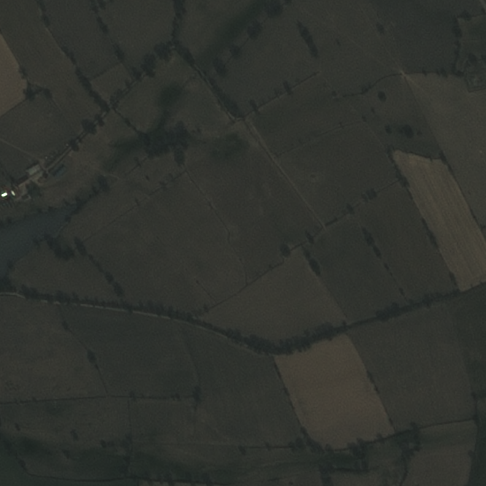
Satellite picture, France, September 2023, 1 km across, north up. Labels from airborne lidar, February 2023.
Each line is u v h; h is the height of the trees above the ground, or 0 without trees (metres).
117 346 0
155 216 0
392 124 0
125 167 0
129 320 0
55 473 0
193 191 0
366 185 0
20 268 0
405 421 0
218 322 0
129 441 20
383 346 0
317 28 0
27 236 0
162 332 0
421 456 0
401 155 0
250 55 0
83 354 0
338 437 0
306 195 0
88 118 0
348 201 0
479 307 0
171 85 0
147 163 0
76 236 0
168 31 0
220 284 0
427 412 0
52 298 11
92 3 10
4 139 0
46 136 0
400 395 0
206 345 0
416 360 0
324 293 0
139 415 0
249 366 0
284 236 0
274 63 0
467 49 0
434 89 0
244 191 0
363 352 0
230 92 0
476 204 0
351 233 0
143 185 0
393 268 0
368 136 0
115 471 0
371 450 0
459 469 0
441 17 0
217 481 0
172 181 11
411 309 11
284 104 0
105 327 0
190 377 0
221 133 0
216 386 0
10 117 0
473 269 0
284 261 0
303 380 0
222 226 0
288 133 0
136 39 0
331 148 0
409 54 0
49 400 0
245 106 0
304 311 0
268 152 0
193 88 0
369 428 0
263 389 0
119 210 0
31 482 0
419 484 0
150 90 0
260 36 0
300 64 0
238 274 0
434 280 0
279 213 0
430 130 0
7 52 0
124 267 0
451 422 0
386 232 0
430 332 0
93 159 0
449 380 0
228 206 0
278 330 0
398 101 0
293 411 0
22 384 0
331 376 0
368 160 0
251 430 0
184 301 0
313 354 0
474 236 0
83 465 0
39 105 0
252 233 0
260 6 0
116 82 0
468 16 16
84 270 0
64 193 0
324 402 0
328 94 0
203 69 0
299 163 0
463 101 0
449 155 0
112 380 0
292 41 0
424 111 0
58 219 0
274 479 0
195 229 0
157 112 0
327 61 0
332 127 0
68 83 0
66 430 0
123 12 0
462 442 0
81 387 0
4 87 0
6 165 0
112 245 0
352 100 0
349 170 0
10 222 12
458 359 0
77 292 0
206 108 0
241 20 0
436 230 0
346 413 0
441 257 7
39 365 0
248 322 0
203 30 0
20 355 0
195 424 0
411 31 0
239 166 0
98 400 0
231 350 0
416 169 0
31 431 0
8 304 0
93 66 0
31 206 0
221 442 0
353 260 0
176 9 11
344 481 0
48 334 0
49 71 0
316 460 0
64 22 0
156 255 0
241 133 0
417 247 0
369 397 0
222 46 0
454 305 0
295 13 0
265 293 0
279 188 0
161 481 16
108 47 0
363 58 0
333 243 0
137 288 0
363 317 0
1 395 0
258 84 0
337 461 0
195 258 0
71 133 0
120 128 0
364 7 0
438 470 0
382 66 0
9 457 0
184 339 0
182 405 0
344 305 0
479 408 0
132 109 0
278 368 9
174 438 0
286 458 0
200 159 0
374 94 0
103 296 0
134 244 0
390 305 0
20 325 0
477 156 0
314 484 0
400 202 0
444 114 0
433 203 0
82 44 0
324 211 0
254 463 0
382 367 0
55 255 17
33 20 0
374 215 0
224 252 0
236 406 0
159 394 0
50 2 0
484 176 0
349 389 0
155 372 0
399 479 0
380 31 11
